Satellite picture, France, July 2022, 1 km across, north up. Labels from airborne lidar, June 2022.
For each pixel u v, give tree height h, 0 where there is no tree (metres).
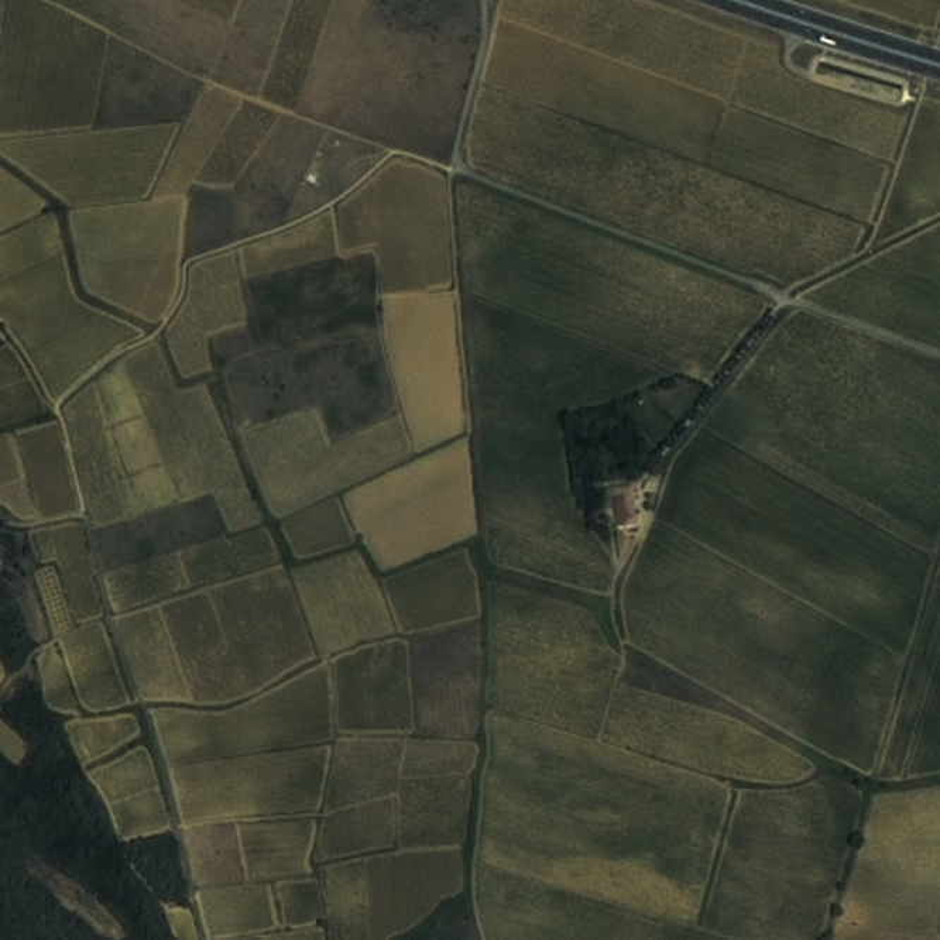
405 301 0
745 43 0
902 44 0
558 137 0
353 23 0
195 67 0
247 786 0
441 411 0
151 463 0
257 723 0
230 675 0
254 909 0
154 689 0
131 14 0
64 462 0
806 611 0
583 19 0
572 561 0
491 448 0
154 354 0
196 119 0
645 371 0
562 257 0
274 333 0
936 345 0
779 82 0
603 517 10
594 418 14
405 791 0
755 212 0
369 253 0
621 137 0
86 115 0
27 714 6
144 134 0
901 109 0
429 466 0
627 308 0
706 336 0
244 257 0
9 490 0
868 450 0
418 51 0
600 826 0
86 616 0
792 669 0
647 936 0
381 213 0
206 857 0
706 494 0
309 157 0
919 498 0
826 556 0
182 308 0
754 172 0
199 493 0
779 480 0
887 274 0
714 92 0
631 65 0
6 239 0
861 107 0
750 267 0
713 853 0
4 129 0
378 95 0
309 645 0
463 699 0
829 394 0
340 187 0
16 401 0
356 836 0
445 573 0
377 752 0
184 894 8
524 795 0
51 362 0
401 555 0
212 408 0
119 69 0
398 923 0
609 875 0
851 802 0
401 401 0
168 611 0
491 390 0
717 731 0
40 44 0
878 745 0
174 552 0
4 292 0
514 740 0
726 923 0
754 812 0
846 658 0
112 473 0
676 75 0
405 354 0
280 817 0
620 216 0
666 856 0
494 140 0
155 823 0
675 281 0
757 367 0
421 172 0
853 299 0
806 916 0
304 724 0
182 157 0
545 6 0
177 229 0
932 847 0
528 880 0
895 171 0
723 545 0
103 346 0
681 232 0
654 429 0
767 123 0
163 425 0
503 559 0
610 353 0
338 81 0
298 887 0
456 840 0
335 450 0
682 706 0
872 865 0
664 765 0
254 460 0
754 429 0
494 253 0
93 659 0
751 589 0
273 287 0
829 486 0
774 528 0
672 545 0
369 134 0
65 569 0
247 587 0
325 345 0
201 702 0
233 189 0
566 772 0
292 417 0
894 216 0
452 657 0
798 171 0
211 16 0
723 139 0
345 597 0
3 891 7
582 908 0
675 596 0
